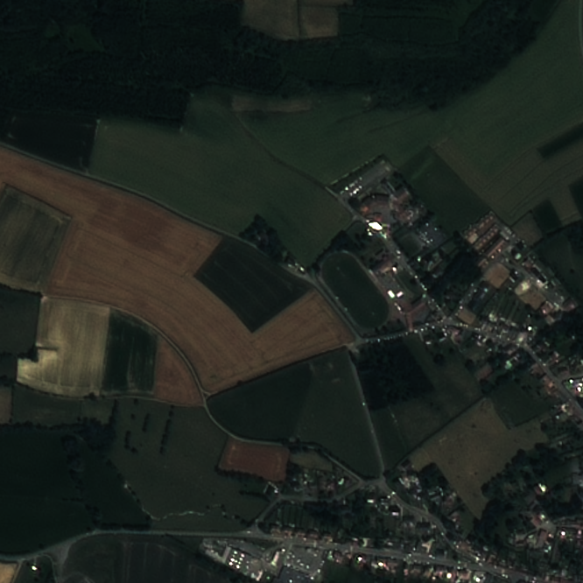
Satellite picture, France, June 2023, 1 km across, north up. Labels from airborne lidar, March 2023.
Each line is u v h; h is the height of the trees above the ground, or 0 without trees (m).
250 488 0
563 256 0
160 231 0
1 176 0
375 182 0
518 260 0
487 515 14
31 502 0
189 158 0
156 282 0
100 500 0
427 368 0
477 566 0
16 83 13
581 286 0
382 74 7
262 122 0
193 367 0
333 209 0
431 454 0
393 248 0
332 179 0
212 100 0
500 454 0
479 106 0
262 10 0
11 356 7
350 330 0
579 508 11
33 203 0
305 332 0
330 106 0
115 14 11
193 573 0
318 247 0
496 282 0
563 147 0
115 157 0
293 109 0
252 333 0
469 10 0
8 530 0
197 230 0
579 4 0
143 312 0
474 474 0
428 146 0
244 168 0
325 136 0
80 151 0
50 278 0
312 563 0
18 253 0
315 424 0
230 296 0
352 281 0
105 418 0
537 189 0
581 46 0
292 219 0
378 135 0
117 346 0
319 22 0
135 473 0
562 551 7
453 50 9
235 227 0
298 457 0
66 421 0
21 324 0
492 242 0
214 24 11
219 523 0
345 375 0
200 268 0
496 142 0
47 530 0
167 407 0
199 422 0
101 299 0
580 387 0
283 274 0
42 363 0
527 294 0
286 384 0
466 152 0
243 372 0
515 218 0
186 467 0
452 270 14
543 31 0
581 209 0
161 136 0
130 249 0
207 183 0
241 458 0
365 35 6
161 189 0
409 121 0
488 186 0
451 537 16
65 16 24
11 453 0
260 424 0
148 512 0
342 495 0
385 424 0
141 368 0
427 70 7
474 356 0
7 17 15
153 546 0
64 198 0
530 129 0
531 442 0
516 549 0
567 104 0
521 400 0
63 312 0
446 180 0
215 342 0
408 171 0
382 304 0
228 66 13
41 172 0
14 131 0
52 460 0
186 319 0
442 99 6
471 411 0
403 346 11
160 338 0
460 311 0
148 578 0
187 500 0
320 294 0
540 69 0
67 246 0
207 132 0
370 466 0
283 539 0
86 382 0
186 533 0
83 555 0
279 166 0
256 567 0
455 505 0
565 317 13
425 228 0
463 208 0
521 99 0
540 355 7
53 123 0
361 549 0
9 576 0
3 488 0
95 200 0
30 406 0
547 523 0
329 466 0
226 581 0
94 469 0
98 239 0
